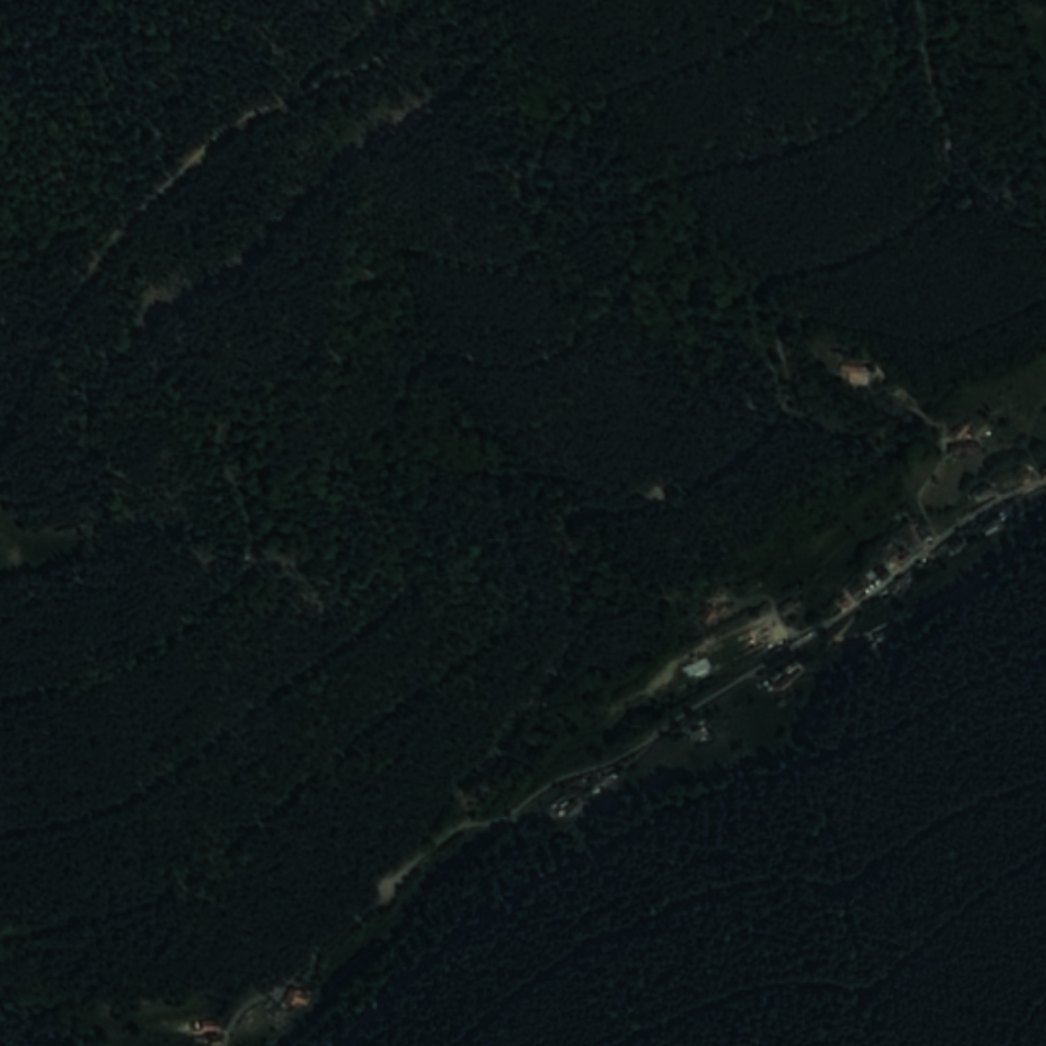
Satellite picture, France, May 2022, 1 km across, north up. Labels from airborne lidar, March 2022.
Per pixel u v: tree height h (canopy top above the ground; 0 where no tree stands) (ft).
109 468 32
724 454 82
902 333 53
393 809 58
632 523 73
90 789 77
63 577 62
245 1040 0
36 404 77
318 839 82
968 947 66
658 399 73
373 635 81
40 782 70
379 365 77
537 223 95
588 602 69
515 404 76
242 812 75
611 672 83
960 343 59
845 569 0
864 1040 85
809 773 88
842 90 49
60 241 73
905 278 55
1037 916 60
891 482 62
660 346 80
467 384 74
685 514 76
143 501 24
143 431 39
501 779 90
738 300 108
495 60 73
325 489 84
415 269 83
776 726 0
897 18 102
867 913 79
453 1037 82
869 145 57
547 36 70
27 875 92
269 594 67
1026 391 0
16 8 87
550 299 69
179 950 77
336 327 61
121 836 84
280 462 77
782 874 80
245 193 51
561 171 80
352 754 80
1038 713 70
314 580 68
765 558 58
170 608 70
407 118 0
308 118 88
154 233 45
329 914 79
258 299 79
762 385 54
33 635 75
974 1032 58
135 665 71
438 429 82
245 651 86
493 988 80
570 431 78
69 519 49
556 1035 60
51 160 70
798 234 62
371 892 98
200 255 87
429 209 61
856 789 89
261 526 71
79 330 80
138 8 57
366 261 82
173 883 85
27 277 74
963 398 48
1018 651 99
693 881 80
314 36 80
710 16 62
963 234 70
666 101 68
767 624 0
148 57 92
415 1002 41
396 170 74
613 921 83
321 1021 31
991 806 51
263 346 82
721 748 0
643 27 66
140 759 82
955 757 63
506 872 37
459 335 71
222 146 63
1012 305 74
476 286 61
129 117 86
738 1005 87
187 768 89
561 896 71
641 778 0
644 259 88
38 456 80
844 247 47
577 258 95
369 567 85
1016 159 103
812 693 0
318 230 73
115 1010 71
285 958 92
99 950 94
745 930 93
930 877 63
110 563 73
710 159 32
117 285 28
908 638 50
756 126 35
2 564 0
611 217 95
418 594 79
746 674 0
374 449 73
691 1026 80
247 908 74
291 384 96
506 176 62
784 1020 75
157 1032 0
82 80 64
